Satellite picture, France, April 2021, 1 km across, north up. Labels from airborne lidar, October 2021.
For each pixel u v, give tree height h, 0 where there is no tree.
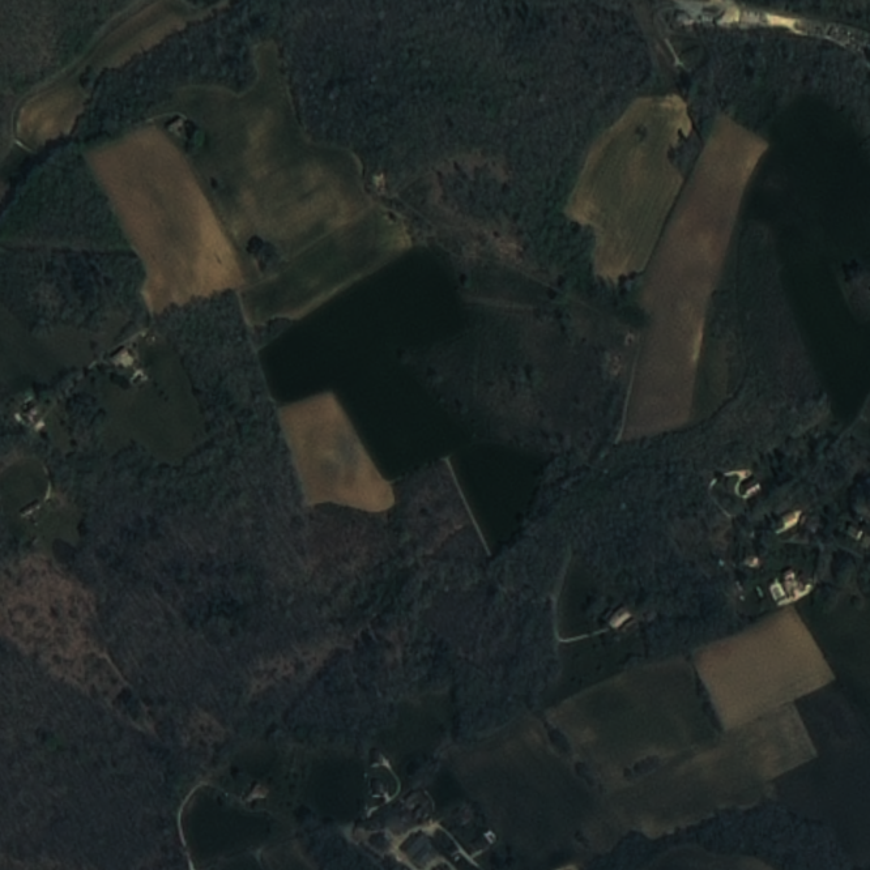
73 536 0
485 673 6
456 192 12
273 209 0
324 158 0
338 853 24
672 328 0
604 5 16
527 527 22
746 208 0
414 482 9
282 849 0
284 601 20
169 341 14
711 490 18
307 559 20
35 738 19
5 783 18
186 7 0
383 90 22
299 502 25
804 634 0
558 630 16
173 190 0
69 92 0
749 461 21
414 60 22
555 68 9
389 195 11
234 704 24
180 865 12
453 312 0
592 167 0
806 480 16
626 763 0
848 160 0
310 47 18
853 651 0
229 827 0
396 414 0
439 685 21
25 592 18
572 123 20
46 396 16
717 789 0
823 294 0
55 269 10
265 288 0
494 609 17
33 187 22
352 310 0
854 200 0
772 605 0
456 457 0
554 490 16
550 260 19
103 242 17
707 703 12
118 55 0
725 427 15
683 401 0
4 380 0
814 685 0
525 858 0
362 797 0
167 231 0
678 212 0
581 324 0
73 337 0
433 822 0
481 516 0
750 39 19
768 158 0
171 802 22
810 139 0
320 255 0
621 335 0
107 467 13
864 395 0
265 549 19
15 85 15
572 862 0
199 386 16
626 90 13
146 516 19
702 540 11
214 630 23
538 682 14
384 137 18
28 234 13
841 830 0
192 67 8
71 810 18
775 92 8
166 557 18
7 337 0
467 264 17
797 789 0
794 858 18
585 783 11
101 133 6
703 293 0
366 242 0
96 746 19
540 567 24
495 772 0
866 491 19
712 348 0
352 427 0
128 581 27
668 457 14
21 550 17
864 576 9
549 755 0
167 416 0
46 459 20
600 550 19
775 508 20
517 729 0
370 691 17
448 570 22
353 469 0
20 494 0
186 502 16
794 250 0
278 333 12
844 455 18
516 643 12
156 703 12
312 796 0
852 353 0
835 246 0
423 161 13
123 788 20
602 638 6
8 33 16
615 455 13
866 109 14
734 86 12
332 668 7
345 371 0
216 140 0
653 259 0
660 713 0
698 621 10
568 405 0
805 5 14
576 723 0
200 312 17
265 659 17
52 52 9
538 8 16
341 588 10
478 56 15
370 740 13
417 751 0
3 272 8
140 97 11
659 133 0
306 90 18
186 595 28
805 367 7
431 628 14
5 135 15
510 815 0
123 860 19
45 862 23
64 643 23
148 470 12
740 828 21
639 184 0
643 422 0
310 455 0
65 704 18
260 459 17
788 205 0
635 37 8
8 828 19
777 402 17
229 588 28
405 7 18
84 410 18
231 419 16
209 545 18
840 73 15
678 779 0
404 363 12
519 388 17
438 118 15
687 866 0
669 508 17
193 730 7
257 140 0
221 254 0
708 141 17
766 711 0
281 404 0
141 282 11
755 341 7
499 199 20
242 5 12
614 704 0
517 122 15
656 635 21
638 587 17
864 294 6
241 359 13
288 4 22
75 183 20
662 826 0
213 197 0
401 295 0
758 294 6
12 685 21
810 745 0
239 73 24
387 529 6
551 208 22
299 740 21
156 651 23
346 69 18
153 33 0
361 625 12
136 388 0
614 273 0
